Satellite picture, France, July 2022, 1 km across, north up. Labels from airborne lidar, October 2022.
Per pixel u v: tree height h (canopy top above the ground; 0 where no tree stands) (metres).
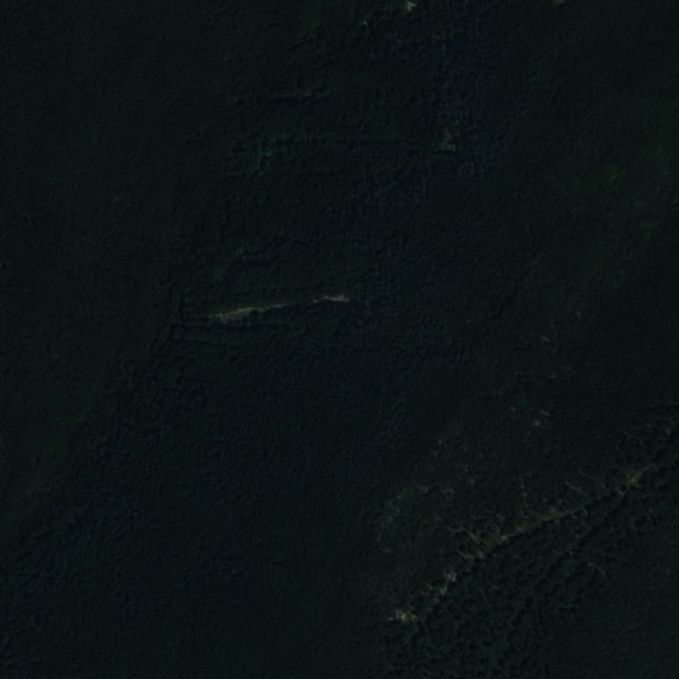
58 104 20
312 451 26
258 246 16
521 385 23
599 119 19
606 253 14
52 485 22
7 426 17
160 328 28
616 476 32
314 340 22
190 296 19
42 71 22
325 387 27
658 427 35
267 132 22
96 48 17
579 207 17
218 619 23
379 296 19
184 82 13
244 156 19
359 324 16
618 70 24
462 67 25
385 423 15
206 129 25
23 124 17
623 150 24
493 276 17
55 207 22
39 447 20
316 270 25
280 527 21
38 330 24
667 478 35
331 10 23
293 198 25
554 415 26
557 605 31
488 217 18
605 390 29
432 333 20
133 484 33
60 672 30
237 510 25
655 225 21
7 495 27
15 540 31
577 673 27
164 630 27
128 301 24
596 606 29
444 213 26
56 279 26
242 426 26
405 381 25
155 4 15
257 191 28
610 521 29
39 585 28
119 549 31
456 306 14
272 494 27
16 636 34
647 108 14
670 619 23
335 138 22
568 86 14
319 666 17
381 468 18
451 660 28
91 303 22
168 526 31
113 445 27
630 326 28
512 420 19
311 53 25
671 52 24
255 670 22
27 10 18
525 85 19
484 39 20
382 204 22
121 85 21
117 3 20
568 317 13
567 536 30
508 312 16
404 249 23
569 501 25
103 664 26
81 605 33
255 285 25
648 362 28
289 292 22
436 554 17
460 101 24
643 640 20
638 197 11
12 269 25
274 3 33
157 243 29
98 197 19
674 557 13
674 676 12
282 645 23
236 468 30
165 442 26
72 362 28
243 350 28
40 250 25
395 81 27
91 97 24
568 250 20
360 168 28
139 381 34
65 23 20
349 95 22
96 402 24
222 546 27
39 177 22
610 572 29
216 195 24
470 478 20
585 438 30
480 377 12
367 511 21
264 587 21
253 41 29
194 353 22
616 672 21
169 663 26
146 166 27
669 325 25
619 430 31
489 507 26
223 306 17
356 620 28
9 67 21
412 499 14
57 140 24
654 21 24
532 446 22
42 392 21
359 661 22
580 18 15
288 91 27
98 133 19
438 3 21
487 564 28
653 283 30
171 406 25
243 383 27
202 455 31
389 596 10
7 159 21
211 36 23
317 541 17
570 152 12
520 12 19
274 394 21
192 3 20
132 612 31
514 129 21
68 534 23
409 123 23
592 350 28
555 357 23
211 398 29
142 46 21
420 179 22
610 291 23
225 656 21
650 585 22
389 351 24
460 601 18
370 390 25
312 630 19
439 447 11
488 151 24
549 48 14
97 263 18
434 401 16
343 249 22
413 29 27
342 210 29
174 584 26
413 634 33
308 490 25
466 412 13
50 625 33
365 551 22
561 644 29
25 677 34
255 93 29
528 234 16
